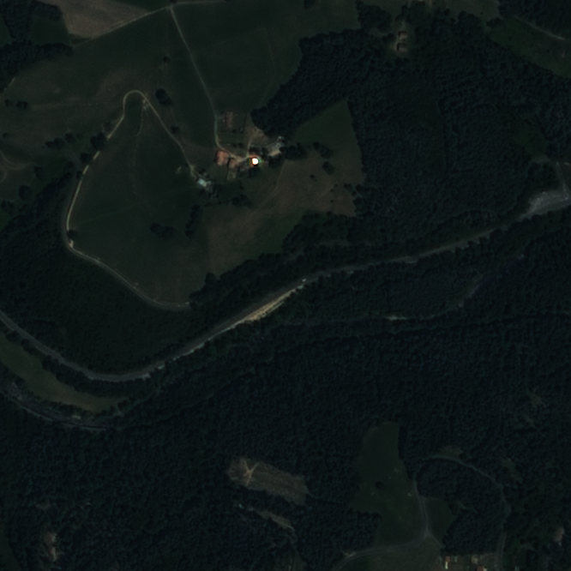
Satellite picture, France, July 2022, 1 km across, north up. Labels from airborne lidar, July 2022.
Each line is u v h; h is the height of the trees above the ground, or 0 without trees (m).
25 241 7
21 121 0
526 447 28
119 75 0
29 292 9
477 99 33
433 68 12
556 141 24
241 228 0
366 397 28
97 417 8
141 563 26
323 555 33
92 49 0
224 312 17
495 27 25
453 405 16
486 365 18
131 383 17
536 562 19
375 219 27
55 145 15
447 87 15
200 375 21
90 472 31
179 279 0
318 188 0
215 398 11
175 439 25
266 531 32
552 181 16
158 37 0
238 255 0
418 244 21
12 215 8
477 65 12
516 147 17
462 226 24
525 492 19
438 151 32
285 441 31
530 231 24
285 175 0
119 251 0
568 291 13
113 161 0
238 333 20
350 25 0
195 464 25
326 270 13
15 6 26
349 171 0
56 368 23
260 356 22
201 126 0
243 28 0
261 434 28
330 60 22
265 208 0
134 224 0
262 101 0
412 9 8
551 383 15
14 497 29
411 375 32
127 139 0
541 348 20
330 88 20
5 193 0
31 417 23
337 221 9
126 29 0
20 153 0
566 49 0
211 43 0
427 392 30
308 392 30
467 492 23
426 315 22
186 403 14
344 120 0
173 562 29
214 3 0
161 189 0
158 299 0
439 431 20
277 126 19
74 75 0
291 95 24
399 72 29
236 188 0
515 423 33
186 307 0
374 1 0
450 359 34
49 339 22
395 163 11
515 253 13
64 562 15
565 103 25
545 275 23
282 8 0
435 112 30
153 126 0
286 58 0
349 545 26
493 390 25
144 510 25
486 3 0
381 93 37
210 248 0
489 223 28
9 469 25
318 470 27
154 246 0
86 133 0
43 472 24
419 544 0
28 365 0
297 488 0
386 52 8
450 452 0
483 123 29
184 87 0
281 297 0
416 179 26
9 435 28
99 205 0
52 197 22
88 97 0
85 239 0
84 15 0
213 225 0
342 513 30
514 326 23
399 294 29
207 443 31
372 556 0
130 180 0
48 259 8
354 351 31
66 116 0
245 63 0
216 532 26
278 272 13
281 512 36
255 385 9
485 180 26
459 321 21
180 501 26
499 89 35
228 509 23
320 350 21
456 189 28
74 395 0
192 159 0
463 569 0
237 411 28
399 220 29
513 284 23
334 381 31
